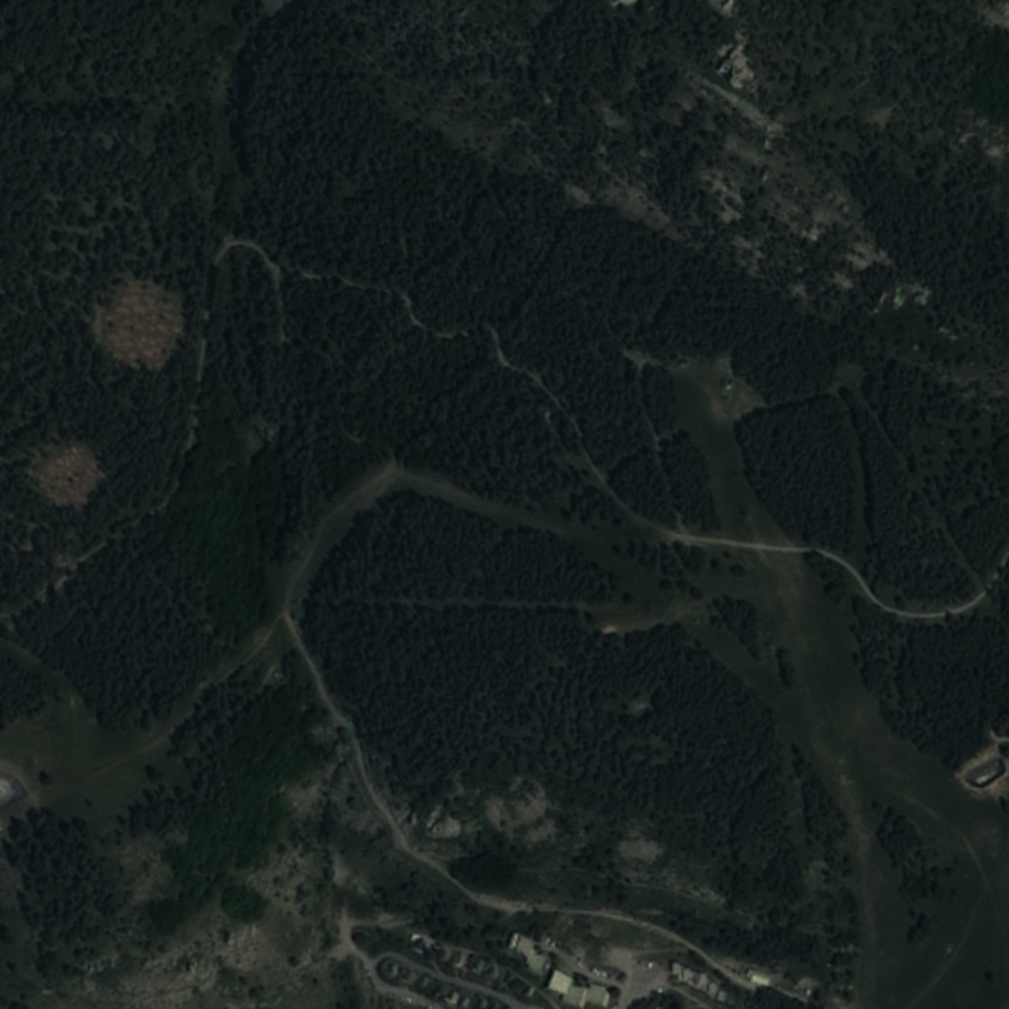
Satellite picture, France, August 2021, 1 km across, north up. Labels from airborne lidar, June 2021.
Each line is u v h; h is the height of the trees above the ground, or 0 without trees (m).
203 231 31
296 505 14
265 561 10
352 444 10
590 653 14
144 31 26
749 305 24
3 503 31
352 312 18
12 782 0
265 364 29
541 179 7
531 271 11
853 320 9
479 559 29
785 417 23
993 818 0
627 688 19
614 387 24
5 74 23
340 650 20
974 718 24
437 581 29
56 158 33
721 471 0
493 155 6
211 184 7
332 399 19
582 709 14
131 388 33
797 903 11
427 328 11
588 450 16
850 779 0
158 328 0
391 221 20
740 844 20
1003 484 16
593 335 18
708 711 26
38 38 31
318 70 22
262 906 12
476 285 18
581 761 12
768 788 23
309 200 26
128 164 27
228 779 10
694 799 13
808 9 19
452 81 18
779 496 20
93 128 18
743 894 18
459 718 12
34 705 23
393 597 13
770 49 8
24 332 16
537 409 17
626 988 0
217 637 14
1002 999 0
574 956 0
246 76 12
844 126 19
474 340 17
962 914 0
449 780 6
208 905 11
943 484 15
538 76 29
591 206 9
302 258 24
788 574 0
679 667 21
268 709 19
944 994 0
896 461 21
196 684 23
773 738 25
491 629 20
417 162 20
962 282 8
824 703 0
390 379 15
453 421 17
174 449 25
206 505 11
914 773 0
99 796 0
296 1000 0
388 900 17
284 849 12
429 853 0
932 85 11
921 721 14
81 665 18
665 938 0
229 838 11
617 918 0
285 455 25
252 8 15
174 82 11
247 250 7
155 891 0
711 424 0
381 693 13
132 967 0
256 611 15
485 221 22
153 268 27
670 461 23
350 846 0
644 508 23
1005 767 0
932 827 0
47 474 0
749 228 10
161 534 12
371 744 11
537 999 0
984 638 18
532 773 11
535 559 21
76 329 12
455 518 27
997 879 0
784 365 25
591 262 31
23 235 34
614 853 12
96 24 28
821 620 0
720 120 14
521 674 16
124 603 16
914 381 19
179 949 0
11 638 28
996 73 7
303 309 11
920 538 10
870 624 13
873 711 0
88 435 33
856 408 22
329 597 13
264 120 28
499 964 8
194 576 8
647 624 0
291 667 19
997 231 10
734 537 0
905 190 27
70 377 13
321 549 0
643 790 14
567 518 17
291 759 13
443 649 24
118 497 34
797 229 0
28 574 27
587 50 23
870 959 0
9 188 29
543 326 16
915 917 19
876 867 0
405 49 13
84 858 16
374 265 19
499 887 17
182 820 9
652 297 29
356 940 11
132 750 0
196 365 10
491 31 9
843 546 22
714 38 11
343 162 27
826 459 21
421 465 9
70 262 34
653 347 23
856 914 8
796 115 0
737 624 18
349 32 6
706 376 0
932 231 25
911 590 14
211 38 7
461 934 13
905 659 13
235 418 9
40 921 19
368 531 28
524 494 20
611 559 0
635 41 25
